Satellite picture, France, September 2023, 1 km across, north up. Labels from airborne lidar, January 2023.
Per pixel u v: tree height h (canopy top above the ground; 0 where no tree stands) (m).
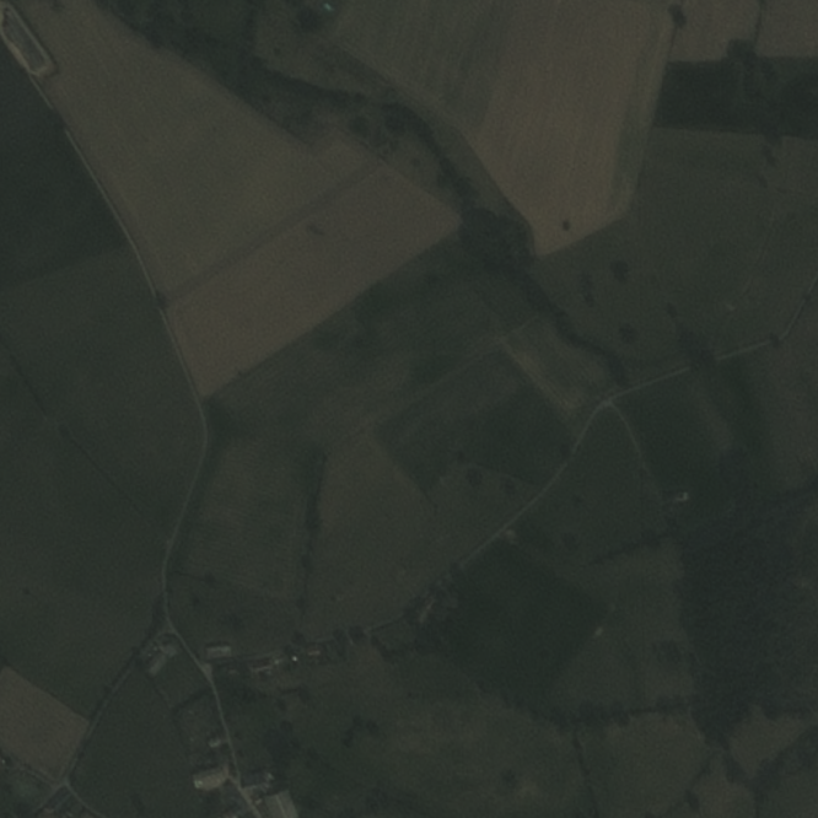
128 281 0
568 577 0
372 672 0
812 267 0
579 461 0
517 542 0
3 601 0
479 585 0
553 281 0
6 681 0
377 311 0
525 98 0
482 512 0
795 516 19
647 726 0
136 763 0
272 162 0
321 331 0
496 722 0
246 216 0
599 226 0
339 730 0
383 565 0
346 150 0
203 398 0
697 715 15
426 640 19
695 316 0
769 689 6
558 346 0
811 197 0
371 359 0
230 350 0
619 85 0
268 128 0
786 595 17
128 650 0
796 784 0
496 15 0
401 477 0
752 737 0
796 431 0
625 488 0
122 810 0
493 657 0
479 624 0
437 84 0
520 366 0
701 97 0
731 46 0
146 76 0
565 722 19
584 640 0
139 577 0
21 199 0
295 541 0
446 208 0
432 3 0
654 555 0
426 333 0
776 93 0
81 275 0
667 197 0
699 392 0
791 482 0
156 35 17
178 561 0
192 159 0
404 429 0
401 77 0
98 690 0
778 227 0
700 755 0
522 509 0
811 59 0
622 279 12
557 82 0
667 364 0
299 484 0
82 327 0
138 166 0
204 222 0
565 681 0
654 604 0
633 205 0
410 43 0
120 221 0
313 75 0
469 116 0
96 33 0
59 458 0
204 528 0
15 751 0
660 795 0
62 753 0
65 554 0
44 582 0
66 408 0
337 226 0
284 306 0
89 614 0
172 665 0
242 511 0
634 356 0
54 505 0
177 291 0
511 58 0
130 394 0
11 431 0
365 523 0
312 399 0
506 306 0
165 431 0
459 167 0
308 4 0
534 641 0
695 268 0
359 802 0
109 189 0
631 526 0
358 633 13
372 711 0
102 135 0
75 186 0
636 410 0
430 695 0
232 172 0
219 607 0
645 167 0
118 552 0
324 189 0
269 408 0
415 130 8
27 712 0
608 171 0
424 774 0
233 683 0
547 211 0
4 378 0
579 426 0
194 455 0
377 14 0
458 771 0
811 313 0
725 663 9
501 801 0
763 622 8
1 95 0
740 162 0
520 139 0
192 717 0
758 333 0
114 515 0
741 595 7
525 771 0
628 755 0
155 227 0
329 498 0
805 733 0
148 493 0
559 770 0
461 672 0
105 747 0
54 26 0
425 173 0
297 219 0
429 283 12
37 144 0
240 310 0
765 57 0
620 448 0
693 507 0
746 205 0
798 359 0
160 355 0
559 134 0
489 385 0
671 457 0
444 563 0
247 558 0
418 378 0
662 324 0
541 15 0
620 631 0
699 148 0
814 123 0
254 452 0
